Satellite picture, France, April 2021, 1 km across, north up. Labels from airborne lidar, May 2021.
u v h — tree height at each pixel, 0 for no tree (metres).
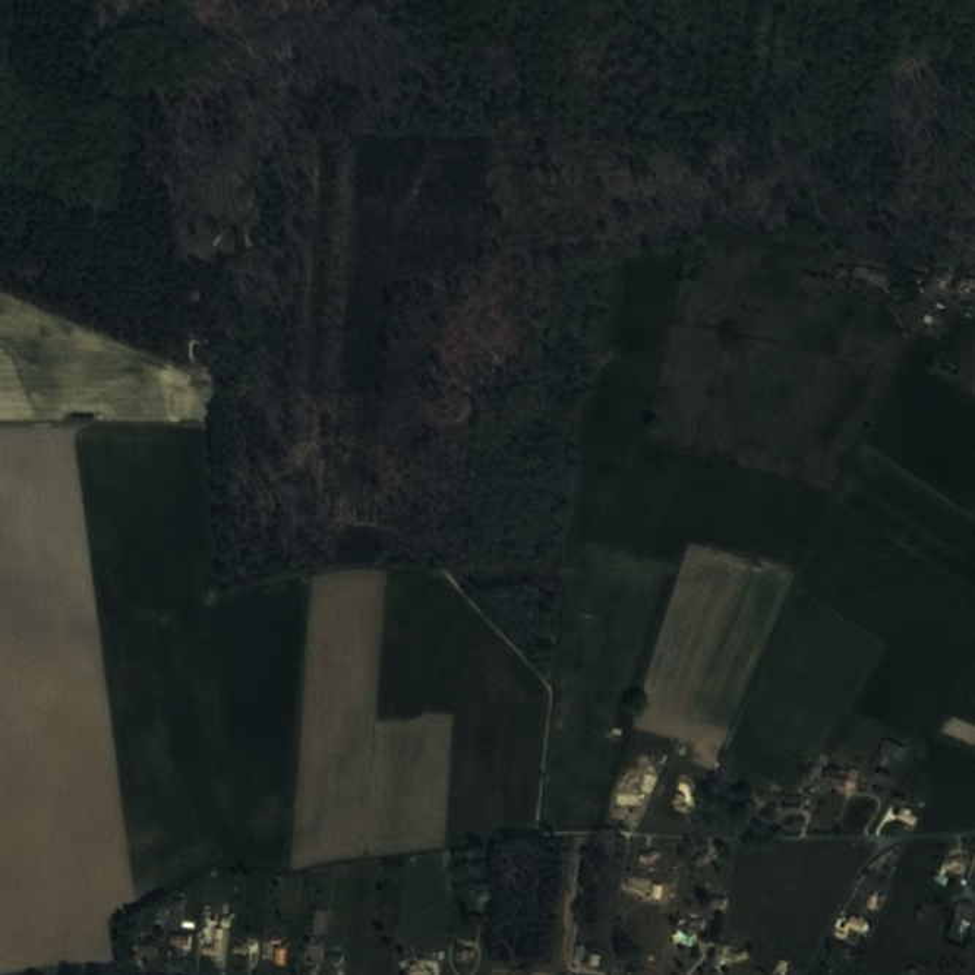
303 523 13
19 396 0
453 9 14
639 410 0
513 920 19
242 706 0
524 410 20
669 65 15
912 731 0
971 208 10
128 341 14
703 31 13
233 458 23
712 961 9
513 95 15
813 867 0
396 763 0
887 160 22
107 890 0
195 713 0
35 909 0
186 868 0
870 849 0
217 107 15
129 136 14
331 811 0
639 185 14
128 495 0
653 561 0
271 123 14
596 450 0
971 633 0
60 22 21
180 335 16
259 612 0
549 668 14
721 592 0
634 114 13
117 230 21
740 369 0
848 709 0
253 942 0
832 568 0
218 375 13
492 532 16
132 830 0
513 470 13
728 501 0
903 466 0
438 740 0
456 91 13
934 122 10
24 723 0
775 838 12
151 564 0
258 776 0
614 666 0
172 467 0
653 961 0
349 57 13
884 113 17
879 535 0
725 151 12
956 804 0
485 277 12
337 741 0
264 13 9
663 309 0
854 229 7
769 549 0
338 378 7
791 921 0
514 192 6
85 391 0
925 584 0
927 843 0
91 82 18
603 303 19
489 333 13
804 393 0
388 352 25
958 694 0
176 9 11
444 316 9
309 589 0
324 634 0
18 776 0
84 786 0
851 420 0
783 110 20
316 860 0
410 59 19
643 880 0
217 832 0
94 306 23
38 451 0
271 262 13
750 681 0
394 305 22
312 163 14
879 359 0
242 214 8
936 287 0
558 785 0
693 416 0
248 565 18
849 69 19
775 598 0
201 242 9
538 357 14
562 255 19
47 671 0
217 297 22
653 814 0
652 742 0
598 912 16
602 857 19
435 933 0
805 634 0
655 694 0
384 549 12
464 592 8
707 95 13
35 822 0
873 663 0
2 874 0
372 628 0
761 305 0
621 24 13
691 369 0
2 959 0
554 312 12
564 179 18
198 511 0
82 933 0
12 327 0
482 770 0
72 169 16
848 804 0
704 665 0
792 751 0
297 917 0
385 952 8
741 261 0
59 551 0
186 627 0
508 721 0
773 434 0
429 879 0
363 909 0
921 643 0
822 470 0
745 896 0
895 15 28
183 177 16
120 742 0
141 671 0
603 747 0
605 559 0
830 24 21
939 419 0
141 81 19
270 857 0
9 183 16
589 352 18
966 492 0
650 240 12
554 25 20
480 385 13
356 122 7
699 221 17
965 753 0
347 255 13
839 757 0
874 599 0
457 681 0
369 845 0
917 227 11
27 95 18
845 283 8
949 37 21
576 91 11
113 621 0
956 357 0
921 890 0
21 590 0
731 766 10
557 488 16
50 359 0
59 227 21
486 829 0
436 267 11
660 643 0
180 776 0
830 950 13
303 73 15
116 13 17
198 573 0
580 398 22
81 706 0
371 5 13
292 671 0
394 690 0
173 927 0
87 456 0
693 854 10
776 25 10
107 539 0
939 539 0
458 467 8
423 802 0
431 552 13
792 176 14
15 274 15
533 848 19
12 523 0
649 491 0
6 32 18
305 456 0
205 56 18
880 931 0
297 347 23
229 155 9
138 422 0
